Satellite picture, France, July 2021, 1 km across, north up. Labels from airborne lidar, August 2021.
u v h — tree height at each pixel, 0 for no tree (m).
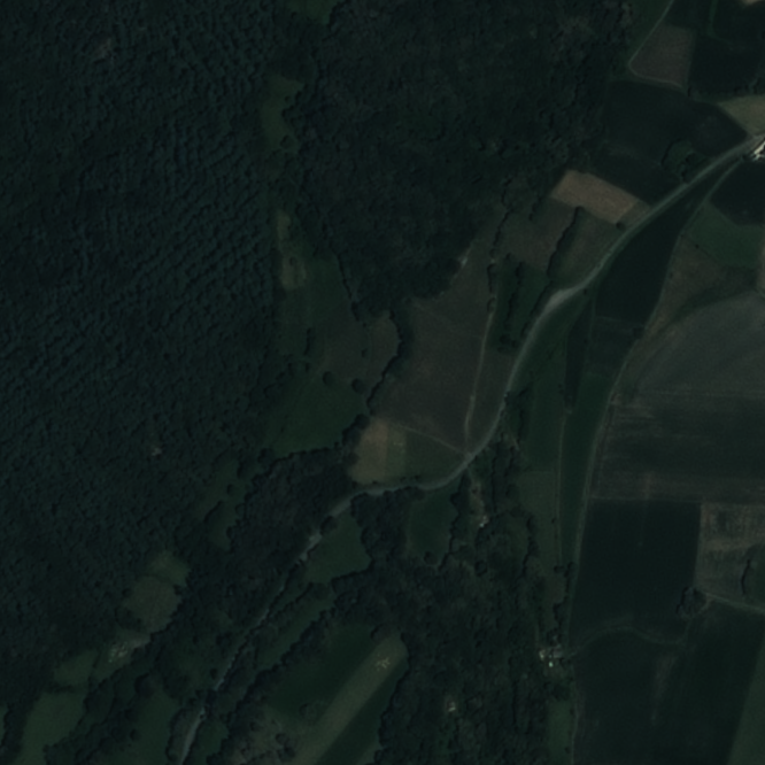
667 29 0
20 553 24
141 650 15
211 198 38
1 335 25
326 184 26
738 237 0
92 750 16
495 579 21
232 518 0
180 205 31
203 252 29
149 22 23
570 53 24
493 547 27
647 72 0
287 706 0
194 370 24
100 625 22
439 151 20
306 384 0
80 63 23
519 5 24
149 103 24
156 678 14
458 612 21
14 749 26
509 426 0
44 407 26
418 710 17
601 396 0
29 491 29
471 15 20
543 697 28
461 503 23
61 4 19
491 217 13
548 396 0
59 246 31
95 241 27
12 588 21
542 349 0
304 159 19
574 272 0
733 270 0
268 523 19
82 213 23
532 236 0
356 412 0
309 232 15
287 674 12
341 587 24
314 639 24
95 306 24
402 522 16
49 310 27
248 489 9
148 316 29
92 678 8
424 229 24
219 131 31
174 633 20
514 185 22
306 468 21
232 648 19
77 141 24
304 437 0
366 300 22
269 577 22
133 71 30
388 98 26
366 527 19
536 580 22
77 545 22
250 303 22
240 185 34
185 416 23
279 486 25
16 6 19
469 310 0
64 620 23
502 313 0
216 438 27
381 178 22
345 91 22
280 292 22
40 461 29
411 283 24
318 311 0
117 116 26
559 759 0
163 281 27
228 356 28
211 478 15
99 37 21
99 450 24
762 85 8
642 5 0
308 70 23
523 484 0
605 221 0
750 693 0
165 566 0
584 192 0
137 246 25
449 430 0
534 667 14
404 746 19
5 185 30
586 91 25
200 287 31
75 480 28
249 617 16
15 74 26
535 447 0
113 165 28
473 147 25
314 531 17
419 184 28
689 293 0
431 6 23
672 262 0
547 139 23
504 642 13
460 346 0
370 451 0
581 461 0
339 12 19
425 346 0
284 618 16
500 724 11
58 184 24
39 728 0
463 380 0
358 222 25
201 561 25
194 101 17
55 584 33
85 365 26
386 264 30
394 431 0
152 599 0
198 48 23
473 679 28
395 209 23
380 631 16
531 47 26
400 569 19
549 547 0
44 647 27
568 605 11
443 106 22
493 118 26
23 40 32
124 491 22
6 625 28
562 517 0
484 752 7
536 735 23
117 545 29
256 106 22
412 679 21
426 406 0
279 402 20
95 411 30
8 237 23
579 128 25
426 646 15
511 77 23
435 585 25
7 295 26
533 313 8
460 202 20
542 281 0
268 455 22
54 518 22
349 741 0
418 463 0
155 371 28
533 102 32
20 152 25
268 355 16
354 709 0
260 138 20
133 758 0
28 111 26
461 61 21
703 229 0
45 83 28
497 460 12
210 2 31
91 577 29
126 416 27
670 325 0
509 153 30
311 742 0
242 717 22
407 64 21
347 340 0
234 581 29
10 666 23
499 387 0
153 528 29
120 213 28
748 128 0
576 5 23
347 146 26
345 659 0
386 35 25
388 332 0
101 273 23
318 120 33
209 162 31
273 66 25
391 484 0
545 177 22
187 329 26
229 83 32
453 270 28
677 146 15
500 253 15
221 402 25
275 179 19
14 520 27
